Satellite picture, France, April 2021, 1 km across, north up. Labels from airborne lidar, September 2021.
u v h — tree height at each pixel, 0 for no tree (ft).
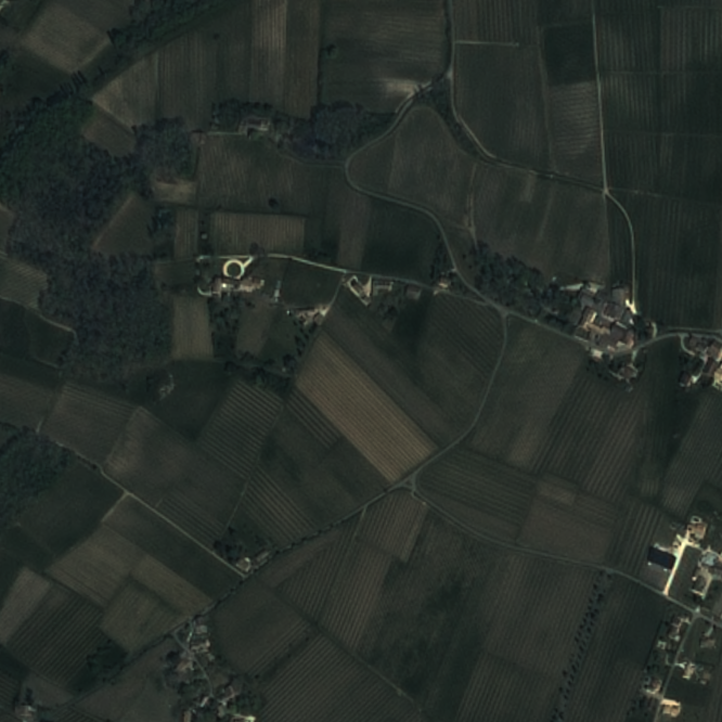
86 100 33
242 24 0
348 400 0
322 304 0
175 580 0
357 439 0
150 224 0
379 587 0
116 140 0
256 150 0
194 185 0
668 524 0
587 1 0
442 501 0
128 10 0
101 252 0
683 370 21
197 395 0
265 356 0
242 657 0
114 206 46
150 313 51
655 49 0
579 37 0
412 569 0
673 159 0
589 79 0
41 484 33
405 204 0
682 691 0
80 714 0
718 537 0
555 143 0
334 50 35
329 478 0
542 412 0
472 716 0
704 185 0
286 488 0
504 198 0
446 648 0
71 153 73
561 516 0
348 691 0
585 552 0
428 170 0
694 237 0
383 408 0
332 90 0
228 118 40
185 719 0
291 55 0
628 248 0
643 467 0
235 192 0
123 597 0
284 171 0
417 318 0
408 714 0
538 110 0
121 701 0
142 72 0
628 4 0
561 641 0
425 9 0
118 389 0
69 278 49
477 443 0
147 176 67
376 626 0
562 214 0
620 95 0
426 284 0
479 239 0
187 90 0
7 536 0
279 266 0
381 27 0
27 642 0
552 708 0
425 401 0
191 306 0
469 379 0
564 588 0
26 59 0
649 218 0
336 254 0
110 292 53
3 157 48
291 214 0
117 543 0
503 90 0
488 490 0
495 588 0
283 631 0
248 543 0
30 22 0
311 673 0
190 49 0
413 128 0
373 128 22
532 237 0
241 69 0
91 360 60
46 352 0
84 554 0
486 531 0
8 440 0
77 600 0
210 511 0
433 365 0
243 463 0
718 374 0
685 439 0
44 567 0
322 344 0
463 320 0
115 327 48
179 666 35
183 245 0
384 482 0
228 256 0
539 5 0
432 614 0
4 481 48
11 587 0
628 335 0
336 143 69
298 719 0
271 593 0
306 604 0
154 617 0
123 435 0
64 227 36
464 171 0
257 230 0
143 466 0
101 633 0
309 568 0
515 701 0
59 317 42
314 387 0
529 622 0
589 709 0
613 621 0
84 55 0
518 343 0
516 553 0
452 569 0
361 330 0
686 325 0
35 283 0
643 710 25
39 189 67
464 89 0
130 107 0
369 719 0
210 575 0
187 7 44
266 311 0
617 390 0
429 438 0
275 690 0
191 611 0
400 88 0
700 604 41
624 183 0
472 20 0
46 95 0
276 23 0
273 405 0
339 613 0
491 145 0
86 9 0
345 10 0
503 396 0
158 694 0
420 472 0
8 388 0
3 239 0
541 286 66
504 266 56
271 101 0
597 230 0
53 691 0
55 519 0
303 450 0
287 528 0
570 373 0
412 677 0
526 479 0
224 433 0
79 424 0
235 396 0
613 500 0
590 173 0
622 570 0
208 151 0
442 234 0
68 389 0
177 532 0
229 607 0
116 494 0
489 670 0
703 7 0
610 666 0
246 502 0
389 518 0
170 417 0
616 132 0
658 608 0
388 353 0
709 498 0
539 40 0
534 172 0
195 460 0
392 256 0
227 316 27
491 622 0
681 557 0
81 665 0
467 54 0
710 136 0
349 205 0
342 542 0
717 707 0
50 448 56
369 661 0
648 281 0
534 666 0
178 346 0
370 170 0
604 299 0
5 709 0
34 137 74
